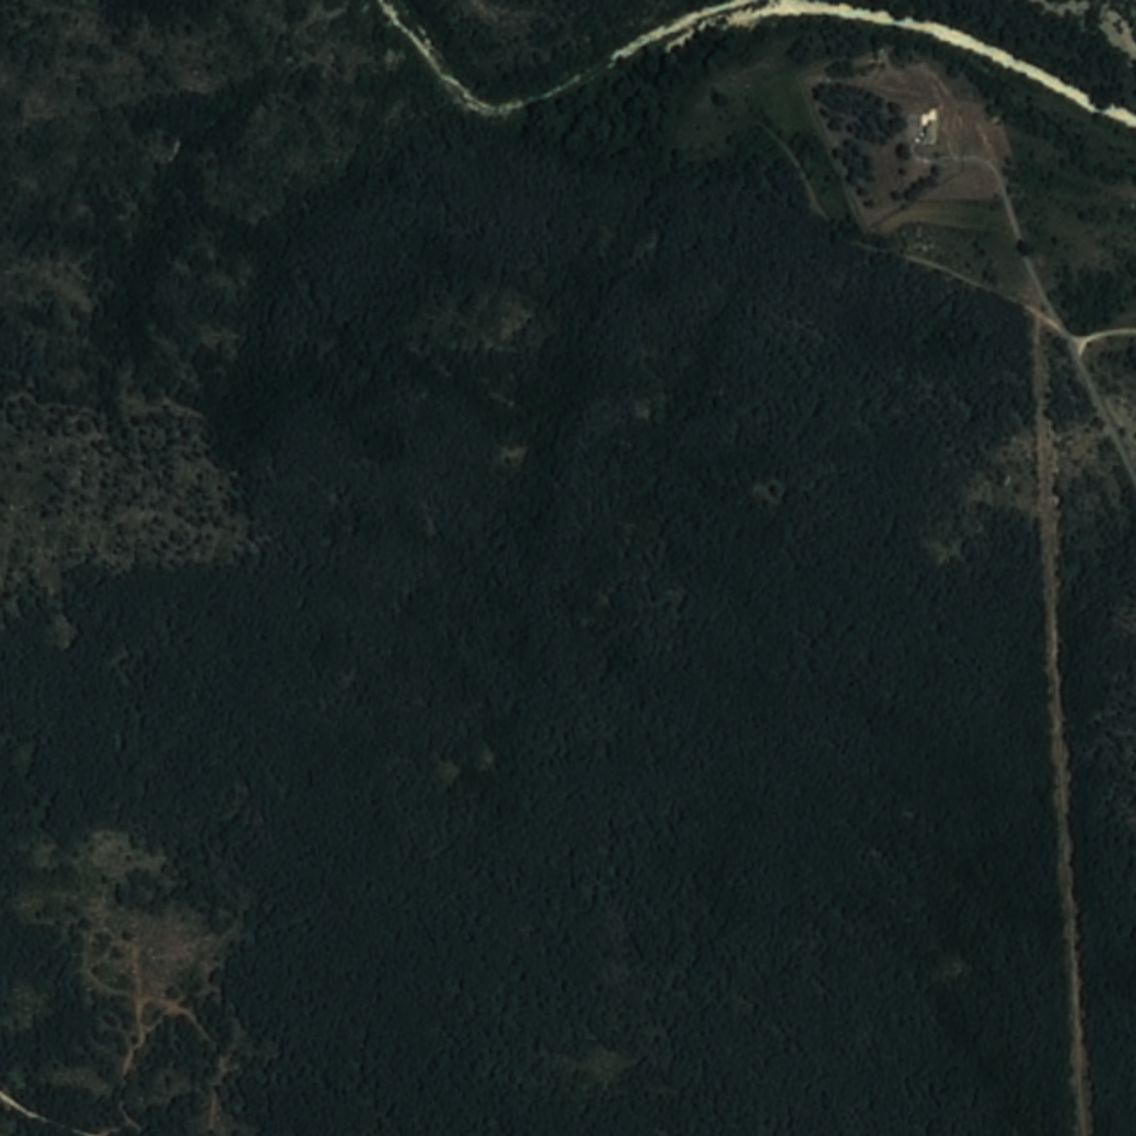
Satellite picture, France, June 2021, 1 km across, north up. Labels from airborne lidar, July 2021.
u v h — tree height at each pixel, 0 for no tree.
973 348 17
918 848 12
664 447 13
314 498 14
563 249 13
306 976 12
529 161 16
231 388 7
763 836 11
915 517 14
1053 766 10
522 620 14
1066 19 9
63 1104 9
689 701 15
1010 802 13
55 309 9
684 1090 8
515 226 16
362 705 15
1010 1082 11
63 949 8
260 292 10
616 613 10
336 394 12
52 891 0
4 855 9
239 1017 9
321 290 14
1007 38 10
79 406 10
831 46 16
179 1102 10
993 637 17
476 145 18
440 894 12
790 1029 10
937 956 9
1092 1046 10
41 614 14
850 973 12
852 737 12
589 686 11
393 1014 14
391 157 9
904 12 20
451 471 15
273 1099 11
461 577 13
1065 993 8
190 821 11
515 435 14
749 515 15
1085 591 14
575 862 14
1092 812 14
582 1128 12
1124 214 10
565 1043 6
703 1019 12
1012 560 13
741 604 13
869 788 10
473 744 12
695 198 15
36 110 0
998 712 14
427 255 13
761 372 14
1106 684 16
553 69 12
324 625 11
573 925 11
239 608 13
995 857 12
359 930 13
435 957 14
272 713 13
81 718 13
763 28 8
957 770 14
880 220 0
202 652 15
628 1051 9
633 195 15
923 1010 12
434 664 12
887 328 18
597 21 9
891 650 15
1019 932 13
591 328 12
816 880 11
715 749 13
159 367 6
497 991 15
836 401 16
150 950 0
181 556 13
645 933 11
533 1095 9
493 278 9
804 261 20
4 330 12
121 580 13
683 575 10
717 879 10
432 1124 10
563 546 14
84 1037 9
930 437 16
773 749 9
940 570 11
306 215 17
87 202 6
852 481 15
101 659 12
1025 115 8
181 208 8
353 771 9
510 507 14
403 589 13
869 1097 10
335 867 12
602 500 12
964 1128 13
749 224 19
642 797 13
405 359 12
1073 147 9
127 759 13
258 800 11
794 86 0
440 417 16
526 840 14
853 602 16
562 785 13
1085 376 0
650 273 11
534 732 13
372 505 16
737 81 0
